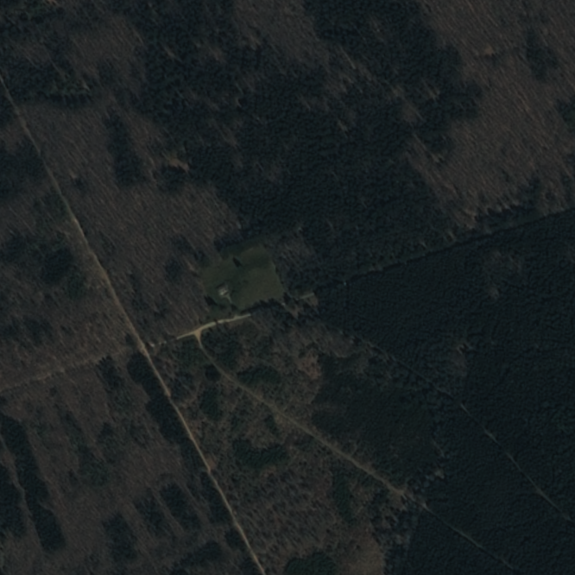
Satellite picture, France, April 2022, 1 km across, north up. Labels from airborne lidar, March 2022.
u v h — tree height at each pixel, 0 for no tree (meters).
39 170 21
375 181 26
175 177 25
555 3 27
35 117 22
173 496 20
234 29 25
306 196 27
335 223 29
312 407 8
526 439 26
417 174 28
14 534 26
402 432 6
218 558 19
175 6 27
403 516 11
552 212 17
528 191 22
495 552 24
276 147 27
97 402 0
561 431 22
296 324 32
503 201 24
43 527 23
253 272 0
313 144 30
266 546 21
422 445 8
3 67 13
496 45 25
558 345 25
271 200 30
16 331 21
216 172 26
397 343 16
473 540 13
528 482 23
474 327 25
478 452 24
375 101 29
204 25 29
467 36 25
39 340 21
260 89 24
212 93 27
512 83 22
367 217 28
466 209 28
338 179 24
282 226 32
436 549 23
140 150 27
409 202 33
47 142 22
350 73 24
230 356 10
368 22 25
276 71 30
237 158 25
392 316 19
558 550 26
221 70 27
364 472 7
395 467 8
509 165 26
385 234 32
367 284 23
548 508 25
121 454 17
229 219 25
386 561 27
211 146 25
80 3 27
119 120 28
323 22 24
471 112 26
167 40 30
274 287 0
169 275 27
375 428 6
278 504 29
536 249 23
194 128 26
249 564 19
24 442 16
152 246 28
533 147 24
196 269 30
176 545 17
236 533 19
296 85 28
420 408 7
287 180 23
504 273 30
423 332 19
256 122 29
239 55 28
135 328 18
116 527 21
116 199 22
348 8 25
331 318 25
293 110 25
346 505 11
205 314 29
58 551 20
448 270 21
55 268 21
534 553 25
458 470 22
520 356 22
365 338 20
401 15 27
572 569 31
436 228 24
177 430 18
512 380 25
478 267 27
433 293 18
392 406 7
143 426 12
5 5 22
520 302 24
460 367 20
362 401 7
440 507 23
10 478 18
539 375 22
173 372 24
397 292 20
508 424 24
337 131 23
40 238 19
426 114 26
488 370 23
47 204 17
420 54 27
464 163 25
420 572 20
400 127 24
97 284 20
